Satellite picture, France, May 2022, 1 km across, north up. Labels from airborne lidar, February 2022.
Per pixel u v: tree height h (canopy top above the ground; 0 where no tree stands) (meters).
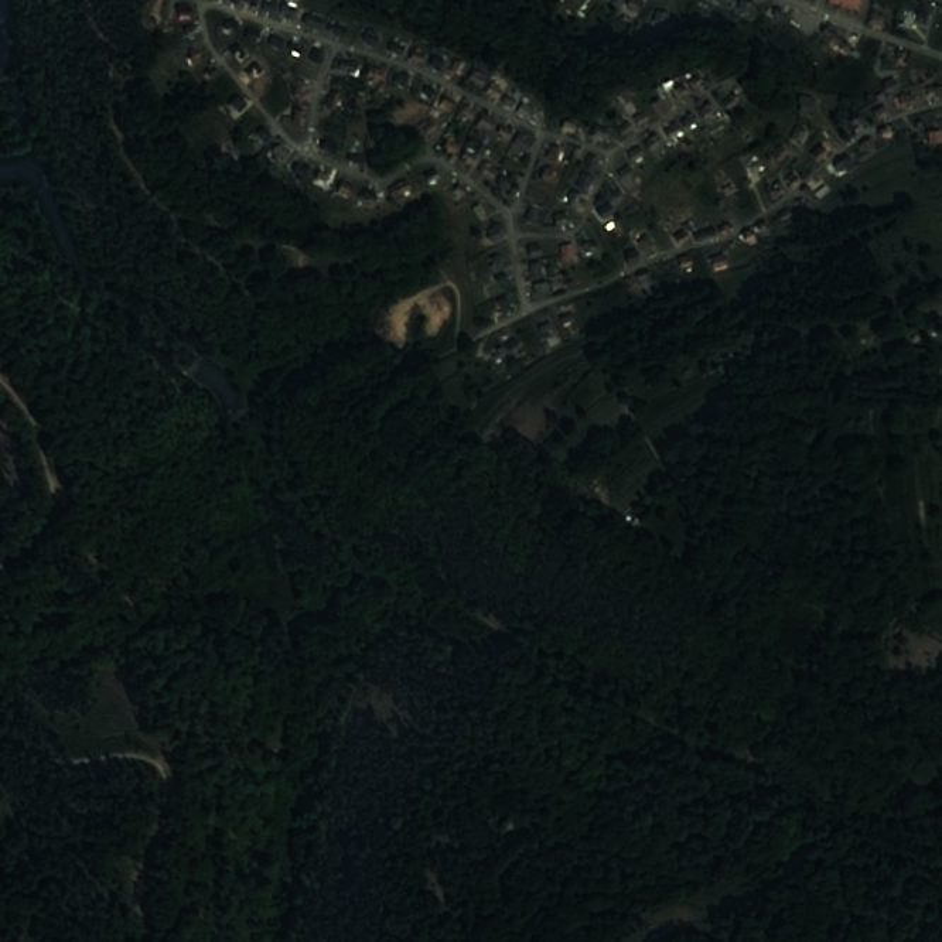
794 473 9
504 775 26
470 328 0
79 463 36
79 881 36
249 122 0
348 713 33
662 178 0
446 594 29
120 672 0
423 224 22
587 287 0
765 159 0
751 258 0
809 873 29
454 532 24
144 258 33
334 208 0
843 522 17
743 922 31
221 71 0
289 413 27
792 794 6
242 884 38
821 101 0
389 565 24
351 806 28
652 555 31
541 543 29
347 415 20
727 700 31
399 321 0
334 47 0
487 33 20
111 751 0
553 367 0
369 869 33
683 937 19
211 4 0
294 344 33
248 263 21
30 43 27
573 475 20
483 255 0
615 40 26
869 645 20
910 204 18
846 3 0
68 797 29
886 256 0
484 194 0
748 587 20
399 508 24
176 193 25
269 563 27
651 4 0
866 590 20
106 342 33
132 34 28
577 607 25
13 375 33
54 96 32
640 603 30
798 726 32
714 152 0
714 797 26
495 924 30
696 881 21
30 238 11
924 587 0
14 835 29
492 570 27
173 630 29
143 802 29
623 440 15
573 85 30
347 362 33
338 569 20
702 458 0
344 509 25
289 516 34
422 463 24
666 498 23
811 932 26
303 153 0
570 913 26
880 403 21
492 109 0
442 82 0
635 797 38
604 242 0
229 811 33
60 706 33
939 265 0
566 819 27
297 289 26
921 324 17
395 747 32
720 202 7
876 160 0
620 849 31
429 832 27
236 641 24
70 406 34
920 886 34
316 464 32
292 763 17
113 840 33
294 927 35
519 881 25
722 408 20
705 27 25
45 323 33
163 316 32
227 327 29
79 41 26
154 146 24
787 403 20
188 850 15
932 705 25
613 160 0
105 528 33
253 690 28
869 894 33
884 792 25
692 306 19
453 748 31
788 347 19
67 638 37
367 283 20
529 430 0
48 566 32
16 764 36
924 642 0
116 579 28
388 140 24
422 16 26
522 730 33
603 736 32
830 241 17
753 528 27
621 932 21
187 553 28
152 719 27
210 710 26
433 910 28
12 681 37
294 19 0
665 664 32
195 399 27
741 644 19
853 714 27
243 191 21
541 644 18
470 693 29
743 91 12
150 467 29
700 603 26
